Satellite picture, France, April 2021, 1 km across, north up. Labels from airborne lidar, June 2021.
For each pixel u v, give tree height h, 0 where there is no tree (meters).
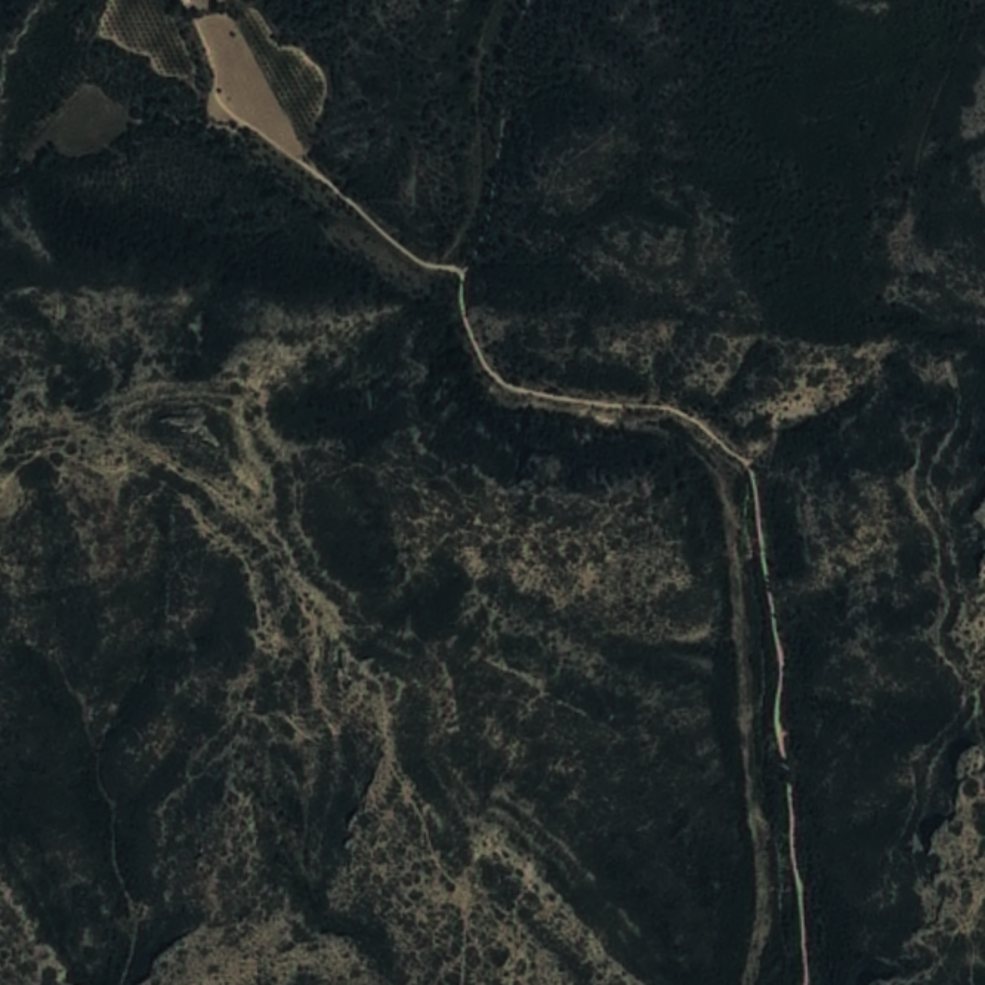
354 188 10
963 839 0
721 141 7
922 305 0
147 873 0
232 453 0
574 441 6
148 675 0
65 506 0
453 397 6
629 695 0
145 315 0
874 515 0
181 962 0
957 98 0
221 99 0
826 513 0
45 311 0
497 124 7
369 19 9
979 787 0
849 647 0
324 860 0
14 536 0
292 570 0
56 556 0
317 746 0
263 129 0
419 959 0
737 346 0
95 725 0
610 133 0
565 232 7
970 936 0
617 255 0
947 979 0
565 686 0
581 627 0
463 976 0
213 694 0
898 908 0
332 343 0
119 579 0
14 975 0
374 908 0
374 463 0
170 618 0
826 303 7
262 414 0
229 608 0
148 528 0
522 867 0
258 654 0
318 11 10
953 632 0
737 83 8
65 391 0
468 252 13
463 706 0
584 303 7
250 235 6
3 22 0
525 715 0
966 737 0
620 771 0
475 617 0
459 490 0
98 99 0
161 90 9
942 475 0
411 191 0
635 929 0
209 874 0
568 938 0
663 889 0
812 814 6
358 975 0
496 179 14
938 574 0
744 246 7
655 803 0
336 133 0
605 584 0
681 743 0
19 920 0
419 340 6
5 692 0
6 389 0
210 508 0
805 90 5
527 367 15
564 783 0
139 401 0
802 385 0
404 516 0
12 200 0
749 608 0
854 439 0
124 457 0
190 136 8
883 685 0
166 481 0
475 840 0
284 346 0
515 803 0
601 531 0
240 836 0
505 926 0
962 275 0
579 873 0
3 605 0
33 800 0
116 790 0
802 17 6
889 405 0
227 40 0
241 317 0
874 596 0
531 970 0
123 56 6
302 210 15
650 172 6
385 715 0
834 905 8
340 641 0
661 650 0
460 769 0
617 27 0
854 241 8
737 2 7
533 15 9
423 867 0
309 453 0
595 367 6
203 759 0
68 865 0
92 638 0
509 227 12
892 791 0
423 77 7
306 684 0
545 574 0
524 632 0
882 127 6
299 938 0
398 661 0
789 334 5
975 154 0
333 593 0
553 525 0
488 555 0
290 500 0
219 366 0
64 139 0
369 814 0
